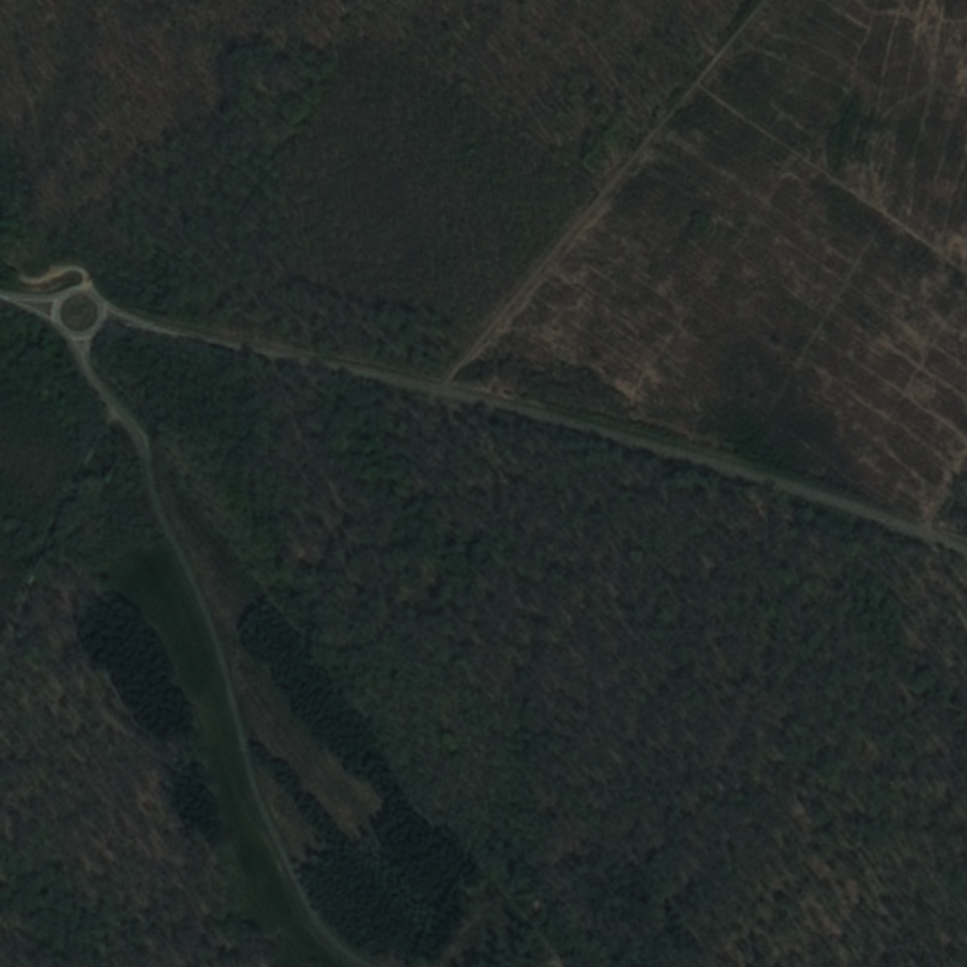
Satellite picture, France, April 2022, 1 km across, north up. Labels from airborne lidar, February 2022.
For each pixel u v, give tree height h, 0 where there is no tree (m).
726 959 0
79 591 32
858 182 0
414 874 17
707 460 0
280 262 29
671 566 28
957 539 0
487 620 28
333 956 0
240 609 0
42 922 26
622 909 27
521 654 28
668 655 27
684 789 23
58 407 27
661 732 25
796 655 29
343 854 15
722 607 31
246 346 0
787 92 0
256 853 0
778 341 11
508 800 24
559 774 31
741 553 27
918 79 0
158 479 0
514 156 13
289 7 17
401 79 11
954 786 29
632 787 29
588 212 0
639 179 0
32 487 9
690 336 0
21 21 14
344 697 14
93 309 0
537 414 0
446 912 25
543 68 18
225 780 0
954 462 0
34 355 27
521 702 25
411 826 26
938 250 0
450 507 31
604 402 16
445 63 18
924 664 29
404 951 17
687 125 0
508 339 0
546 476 29
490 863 29
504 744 31
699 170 0
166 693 33
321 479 29
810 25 0
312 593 28
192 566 0
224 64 16
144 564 0
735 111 0
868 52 0
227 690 0
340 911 16
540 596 29
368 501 30
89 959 22
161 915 26
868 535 26
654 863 13
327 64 28
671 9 19
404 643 29
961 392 0
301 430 28
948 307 0
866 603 30
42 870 27
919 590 28
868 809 26
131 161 21
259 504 22
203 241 32
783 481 0
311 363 0
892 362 0
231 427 22
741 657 32
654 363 0
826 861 26
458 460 30
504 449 30
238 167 29
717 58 0
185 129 19
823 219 0
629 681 27
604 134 21
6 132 18
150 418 15
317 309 30
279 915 0
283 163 26
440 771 26
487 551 27
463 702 29
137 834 0
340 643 25
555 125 23
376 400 24
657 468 25
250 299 28
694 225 9
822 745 26
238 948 31
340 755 16
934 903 24
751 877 27
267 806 0
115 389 0
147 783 30
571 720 29
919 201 0
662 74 25
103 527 25
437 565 28
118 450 19
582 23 22
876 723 34
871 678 27
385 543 30
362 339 29
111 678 26
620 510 28
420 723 29
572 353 0
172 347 20
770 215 0
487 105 16
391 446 26
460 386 0
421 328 28
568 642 25
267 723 0
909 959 25
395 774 24
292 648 16
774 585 28
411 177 11
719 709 30
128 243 25
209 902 28
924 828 26
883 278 0
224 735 0
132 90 0
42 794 29
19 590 11
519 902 18
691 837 24
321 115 13
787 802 26
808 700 31
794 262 0
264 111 36
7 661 29
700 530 28
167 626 0
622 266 0
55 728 29
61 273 0
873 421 0
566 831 29
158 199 31
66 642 25
